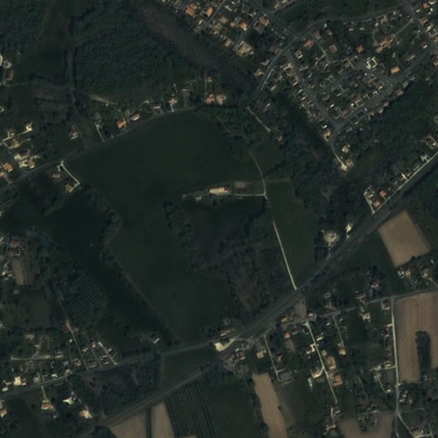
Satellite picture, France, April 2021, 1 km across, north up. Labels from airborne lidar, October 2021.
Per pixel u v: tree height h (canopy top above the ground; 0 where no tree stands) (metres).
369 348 0
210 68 5
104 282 0
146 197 0
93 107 15
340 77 0
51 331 14
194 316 0
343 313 12
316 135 0
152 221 0
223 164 0
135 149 0
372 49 11
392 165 16
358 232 0
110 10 29
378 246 0
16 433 0
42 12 16
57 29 0
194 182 0
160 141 0
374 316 0
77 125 16
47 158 7
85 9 0
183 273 0
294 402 0
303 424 0
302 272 0
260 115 13
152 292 0
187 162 0
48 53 0
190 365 0
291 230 0
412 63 0
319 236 9
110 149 0
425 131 0
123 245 0
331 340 15
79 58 16
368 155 0
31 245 13
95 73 21
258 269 13
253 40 0
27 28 16
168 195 0
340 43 8
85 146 0
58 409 11
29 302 0
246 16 11
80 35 27
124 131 0
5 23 11
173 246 0
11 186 12
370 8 14
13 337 17
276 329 9
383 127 20
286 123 7
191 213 0
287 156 18
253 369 0
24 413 0
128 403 16
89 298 30
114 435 9
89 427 14
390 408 7
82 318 22
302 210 0
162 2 17
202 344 0
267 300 21
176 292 0
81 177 0
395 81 0
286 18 0
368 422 10
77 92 14
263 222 23
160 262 0
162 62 20
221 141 0
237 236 0
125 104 12
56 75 0
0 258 0
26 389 0
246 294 0
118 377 0
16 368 0
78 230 0
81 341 6
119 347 0
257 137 16
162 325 16
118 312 0
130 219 0
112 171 0
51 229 0
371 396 13
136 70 18
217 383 25
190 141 0
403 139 20
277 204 0
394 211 21
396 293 0
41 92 14
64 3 0
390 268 0
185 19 15
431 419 10
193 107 0
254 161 0
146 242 0
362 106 0
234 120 21
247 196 0
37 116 0
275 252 8
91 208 0
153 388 7
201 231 0
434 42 0
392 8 0
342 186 0
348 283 0
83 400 15
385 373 10
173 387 0
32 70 0
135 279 0
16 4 20
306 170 18
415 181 0
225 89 14
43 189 0
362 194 10
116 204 0
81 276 25
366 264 0
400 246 0
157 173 0
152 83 16
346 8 9
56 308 0
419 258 6
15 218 0
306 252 0
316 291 9
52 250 20
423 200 17
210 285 0
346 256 12
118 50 12
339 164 0
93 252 0
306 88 0
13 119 0
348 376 12
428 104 16
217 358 0
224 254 22
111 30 14
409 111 23
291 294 0
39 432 0
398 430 0
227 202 0
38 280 18
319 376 0
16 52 13
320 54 7
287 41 6
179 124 0
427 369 0
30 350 0
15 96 0
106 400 17
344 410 0
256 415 0
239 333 0
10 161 0
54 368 9
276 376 12
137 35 20
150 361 13
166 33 0
